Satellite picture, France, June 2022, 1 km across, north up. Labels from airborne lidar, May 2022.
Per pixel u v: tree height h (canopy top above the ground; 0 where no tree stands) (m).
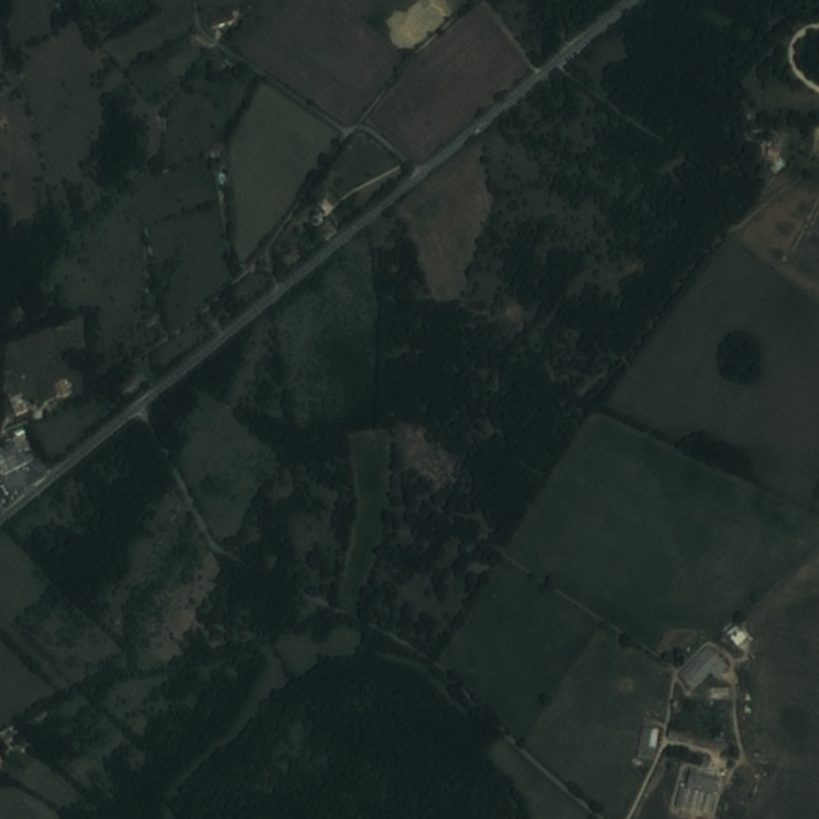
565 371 13
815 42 9
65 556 10
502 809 11
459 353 15
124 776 9
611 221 9
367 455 0
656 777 0
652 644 0
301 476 8
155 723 10
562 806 0
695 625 0
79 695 7
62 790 0
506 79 0
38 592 0
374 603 11
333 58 0
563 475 0
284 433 10
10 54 8
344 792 7
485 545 10
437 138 0
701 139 15
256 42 0
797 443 0
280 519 11
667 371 0
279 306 7
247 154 0
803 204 0
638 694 0
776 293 0
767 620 0
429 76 0
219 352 6
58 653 0
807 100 0
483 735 14
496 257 7
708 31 14
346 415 7
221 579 9
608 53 0
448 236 0
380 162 0
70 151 0
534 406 16
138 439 10
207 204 9
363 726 9
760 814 0
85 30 11
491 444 12
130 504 11
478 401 10
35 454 7
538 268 10
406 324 9
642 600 0
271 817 10
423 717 11
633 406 0
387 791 7
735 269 0
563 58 0
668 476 0
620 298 7
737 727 0
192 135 0
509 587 0
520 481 14
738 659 0
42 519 0
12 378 0
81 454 0
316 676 14
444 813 12
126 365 9
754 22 11
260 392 7
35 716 6
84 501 8
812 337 0
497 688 0
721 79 16
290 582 13
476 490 12
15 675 0
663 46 13
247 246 0
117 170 7
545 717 0
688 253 14
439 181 0
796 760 0
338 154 6
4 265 11
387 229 0
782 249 0
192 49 0
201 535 7
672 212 13
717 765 0
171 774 13
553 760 0
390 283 14
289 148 0
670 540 0
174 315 0
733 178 13
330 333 6
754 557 0
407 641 10
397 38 0
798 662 0
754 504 0
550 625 0
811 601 0
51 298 7
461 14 9
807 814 0
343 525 11
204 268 0
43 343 0
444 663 0
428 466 0
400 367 12
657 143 13
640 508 0
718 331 0
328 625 11
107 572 10
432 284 0
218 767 15
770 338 0
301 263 7
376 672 10
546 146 9
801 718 0
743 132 11
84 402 8
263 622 10
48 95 0
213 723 9
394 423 12
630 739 0
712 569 0
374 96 0
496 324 6
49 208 8
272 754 6
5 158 0
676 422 0
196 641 12
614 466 0
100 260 0
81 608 10
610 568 0
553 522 0
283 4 0
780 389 0
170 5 0
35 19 0
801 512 0
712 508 0
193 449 0
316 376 6
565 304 7
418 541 10
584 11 9
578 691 0
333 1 0
